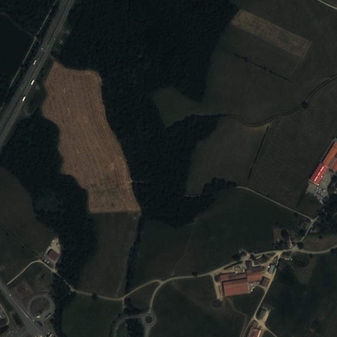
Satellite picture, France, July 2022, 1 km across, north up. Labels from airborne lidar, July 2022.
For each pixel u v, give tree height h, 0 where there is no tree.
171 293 0
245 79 0
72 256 24
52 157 23
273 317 0
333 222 6
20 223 0
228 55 0
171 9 14
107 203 0
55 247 0
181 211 19
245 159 0
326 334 0
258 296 0
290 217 0
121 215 0
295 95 0
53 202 0
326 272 0
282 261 6
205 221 0
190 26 13
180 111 0
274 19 0
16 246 0
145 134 24
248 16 0
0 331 10
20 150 23
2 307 0
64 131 0
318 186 0
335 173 0
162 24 15
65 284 21
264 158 0
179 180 13
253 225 0
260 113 0
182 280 0
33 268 0
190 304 0
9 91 11
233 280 0
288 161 0
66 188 21
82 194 19
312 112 0
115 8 22
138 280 0
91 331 0
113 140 0
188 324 0
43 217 19
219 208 0
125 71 17
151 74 22
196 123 22
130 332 12
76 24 18
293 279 0
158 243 0
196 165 0
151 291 0
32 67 0
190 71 18
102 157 0
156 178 18
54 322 6
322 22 0
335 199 22
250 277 0
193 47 12
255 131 0
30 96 0
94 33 18
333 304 0
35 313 0
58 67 0
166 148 18
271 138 0
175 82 14
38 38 13
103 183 0
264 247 0
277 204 0
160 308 0
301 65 0
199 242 0
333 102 0
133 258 29
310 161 0
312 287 0
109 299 0
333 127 0
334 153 0
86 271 0
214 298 0
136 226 0
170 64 12
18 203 0
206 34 18
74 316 0
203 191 10
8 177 0
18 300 0
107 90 21
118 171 0
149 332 0
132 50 23
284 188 0
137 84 23
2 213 0
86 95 0
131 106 24
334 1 0
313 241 0
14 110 0
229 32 0
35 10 23
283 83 0
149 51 23
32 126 23
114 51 18
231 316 0
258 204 0
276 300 0
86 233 21
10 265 0
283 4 0
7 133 0
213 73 0
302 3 0
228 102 0
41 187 15
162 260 0
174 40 13
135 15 14
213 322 0
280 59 0
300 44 0
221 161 0
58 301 11
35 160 22
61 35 0
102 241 0
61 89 0
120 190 0
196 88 24
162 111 0
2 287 0
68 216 18
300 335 0
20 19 10
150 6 16
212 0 19
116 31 17
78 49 26
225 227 0
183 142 24
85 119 0
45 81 0
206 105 0
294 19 0
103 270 0
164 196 14
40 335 0
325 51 0
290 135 0
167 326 0
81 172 0
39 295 0
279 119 0
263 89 0
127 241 0
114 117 22
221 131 0
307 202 0
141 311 7
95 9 18
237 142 0
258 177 0
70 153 0
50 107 0
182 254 0
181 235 0
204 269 0
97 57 21
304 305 0
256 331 0
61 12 0
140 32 16
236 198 0
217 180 13
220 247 0
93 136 0
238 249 0
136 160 23
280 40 0
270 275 0
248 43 0
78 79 0
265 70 11
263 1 0
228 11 20
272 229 0
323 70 0
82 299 0
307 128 0
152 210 16
